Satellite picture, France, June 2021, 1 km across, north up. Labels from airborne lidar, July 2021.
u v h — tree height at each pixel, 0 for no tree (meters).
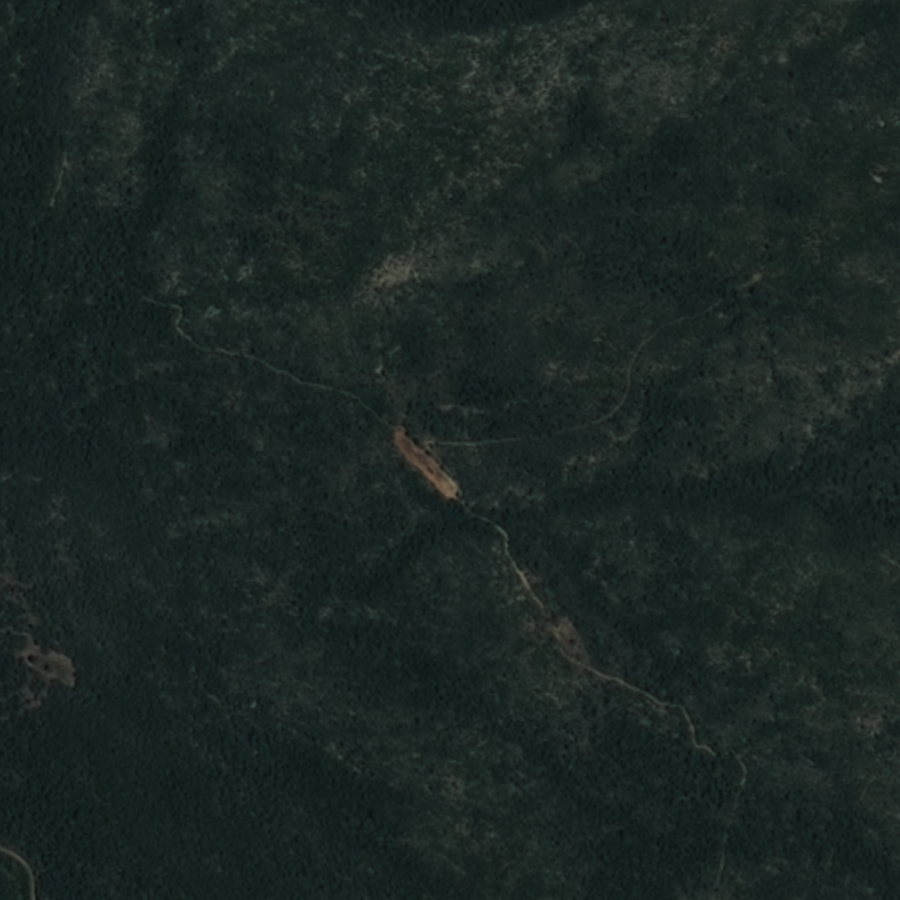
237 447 6
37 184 12
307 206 8
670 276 7
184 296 7
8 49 8
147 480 6
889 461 10
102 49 0
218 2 0
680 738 7
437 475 0
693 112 6
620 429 7
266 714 9
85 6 11
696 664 7
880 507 6
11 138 6
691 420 12
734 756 11
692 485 10
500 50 8
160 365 0
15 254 7
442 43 0
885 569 0
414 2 9
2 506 8
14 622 8
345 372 7
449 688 7
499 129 0
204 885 7
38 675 8
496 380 8
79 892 7
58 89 6
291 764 6
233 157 7
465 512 16
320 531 6
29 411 13
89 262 10
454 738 9
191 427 11
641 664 6
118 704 8
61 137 7
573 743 7
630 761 8
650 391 12
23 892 8
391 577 7
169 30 8
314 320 0
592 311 0
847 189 0
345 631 8
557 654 5
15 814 10
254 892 7
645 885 6
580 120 6
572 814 7
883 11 6
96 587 6
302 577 6
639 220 6
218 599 7
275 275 6
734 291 7
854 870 7
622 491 10
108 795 6
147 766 7
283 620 6
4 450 11
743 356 6
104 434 9
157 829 9
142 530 9
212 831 7
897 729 8
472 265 0
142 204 7
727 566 0
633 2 0
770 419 0
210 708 13
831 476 6
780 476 12
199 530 7
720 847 7
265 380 6
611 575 8
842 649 6
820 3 0
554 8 5
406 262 0
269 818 6
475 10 9
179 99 8
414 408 13
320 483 7
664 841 9
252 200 8
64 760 6
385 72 6
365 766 8
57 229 6
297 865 8
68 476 7
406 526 8
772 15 0
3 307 13
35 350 6
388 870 9
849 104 0
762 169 8
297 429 12
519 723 7
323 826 7
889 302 0
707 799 12
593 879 6
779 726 7
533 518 7
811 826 6
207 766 7
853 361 0
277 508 7
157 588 7
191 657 7
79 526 6
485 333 7
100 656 6
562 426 7
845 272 0
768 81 0
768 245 7
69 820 7
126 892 7
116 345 10
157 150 8
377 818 12
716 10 0
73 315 11
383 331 8
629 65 7
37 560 7
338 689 8
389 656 8
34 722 7
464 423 7
